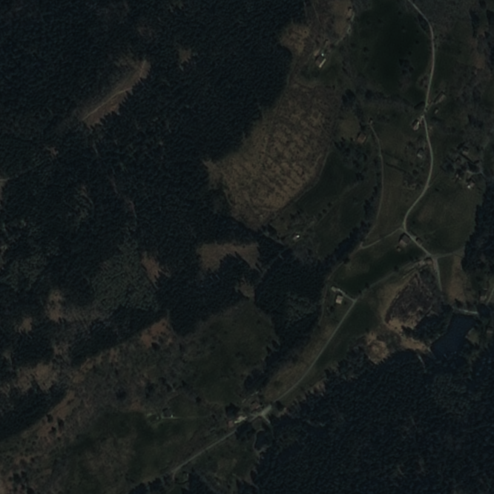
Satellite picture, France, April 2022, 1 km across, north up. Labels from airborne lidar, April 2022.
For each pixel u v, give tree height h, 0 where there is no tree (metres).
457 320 0
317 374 0
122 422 0
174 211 29
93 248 24
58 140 15
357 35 0
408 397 25
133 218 29
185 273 15
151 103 24
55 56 20
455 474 26
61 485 15
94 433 0
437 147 0
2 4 27
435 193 0
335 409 15
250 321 0
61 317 0
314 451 28
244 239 25
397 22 0
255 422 0
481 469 16
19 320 25
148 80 0
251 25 22
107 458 0
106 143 19
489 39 14
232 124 28
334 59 0
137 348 12
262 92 30
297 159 0
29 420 20
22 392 23
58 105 7
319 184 0
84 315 25
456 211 0
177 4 0
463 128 0
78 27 24
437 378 28
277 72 31
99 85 25
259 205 0
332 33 19
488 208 20
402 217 0
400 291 0
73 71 26
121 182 23
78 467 0
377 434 19
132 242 26
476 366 0
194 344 13
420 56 0
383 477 16
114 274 29
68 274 20
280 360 24
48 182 11
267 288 20
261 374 19
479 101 23
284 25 24
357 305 0
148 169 29
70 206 8
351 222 0
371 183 0
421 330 8
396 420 19
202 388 0
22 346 28
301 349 27
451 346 0
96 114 0
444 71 0
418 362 17
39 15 19
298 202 0
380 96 19
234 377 6
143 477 0
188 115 28
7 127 9
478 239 24
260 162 0
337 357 0
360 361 16
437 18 15
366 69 0
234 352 0
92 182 14
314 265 23
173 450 0
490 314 29
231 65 24
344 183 0
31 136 14
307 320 18
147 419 0
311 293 15
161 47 27
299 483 23
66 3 21
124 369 7
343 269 0
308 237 9
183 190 18
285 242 17
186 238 27
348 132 0
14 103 22
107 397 9
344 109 6
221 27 25
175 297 26
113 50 20
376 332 0
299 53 0
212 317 15
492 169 0
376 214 12
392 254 0
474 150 0
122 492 0
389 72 0
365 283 0
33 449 10
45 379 0
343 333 0
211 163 0
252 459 0
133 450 0
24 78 18
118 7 20
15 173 12
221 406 0
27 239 12
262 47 28
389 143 0
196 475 12
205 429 6
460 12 15
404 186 0
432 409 22
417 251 0
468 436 17
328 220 0
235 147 28
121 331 27
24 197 12
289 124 0
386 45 0
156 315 26
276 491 26
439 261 0
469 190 0
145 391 16
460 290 0
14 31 19
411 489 24
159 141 30
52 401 24
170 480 16
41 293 22
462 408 27
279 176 0
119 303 26
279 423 17
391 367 27
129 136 32
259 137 0
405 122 0
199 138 25
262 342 0
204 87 23
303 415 20
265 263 18
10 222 12
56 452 8
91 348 27
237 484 0
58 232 12
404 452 20
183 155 34
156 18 25
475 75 7
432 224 0
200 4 25
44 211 12
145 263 0
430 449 16
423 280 12
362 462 12
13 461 7
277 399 0
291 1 21
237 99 31
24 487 17
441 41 6
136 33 23
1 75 31
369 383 12
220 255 0
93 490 0
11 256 11
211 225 16
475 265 21
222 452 0
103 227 26
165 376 6
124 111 25
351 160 15
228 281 31
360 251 0
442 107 0
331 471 25
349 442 26
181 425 0
